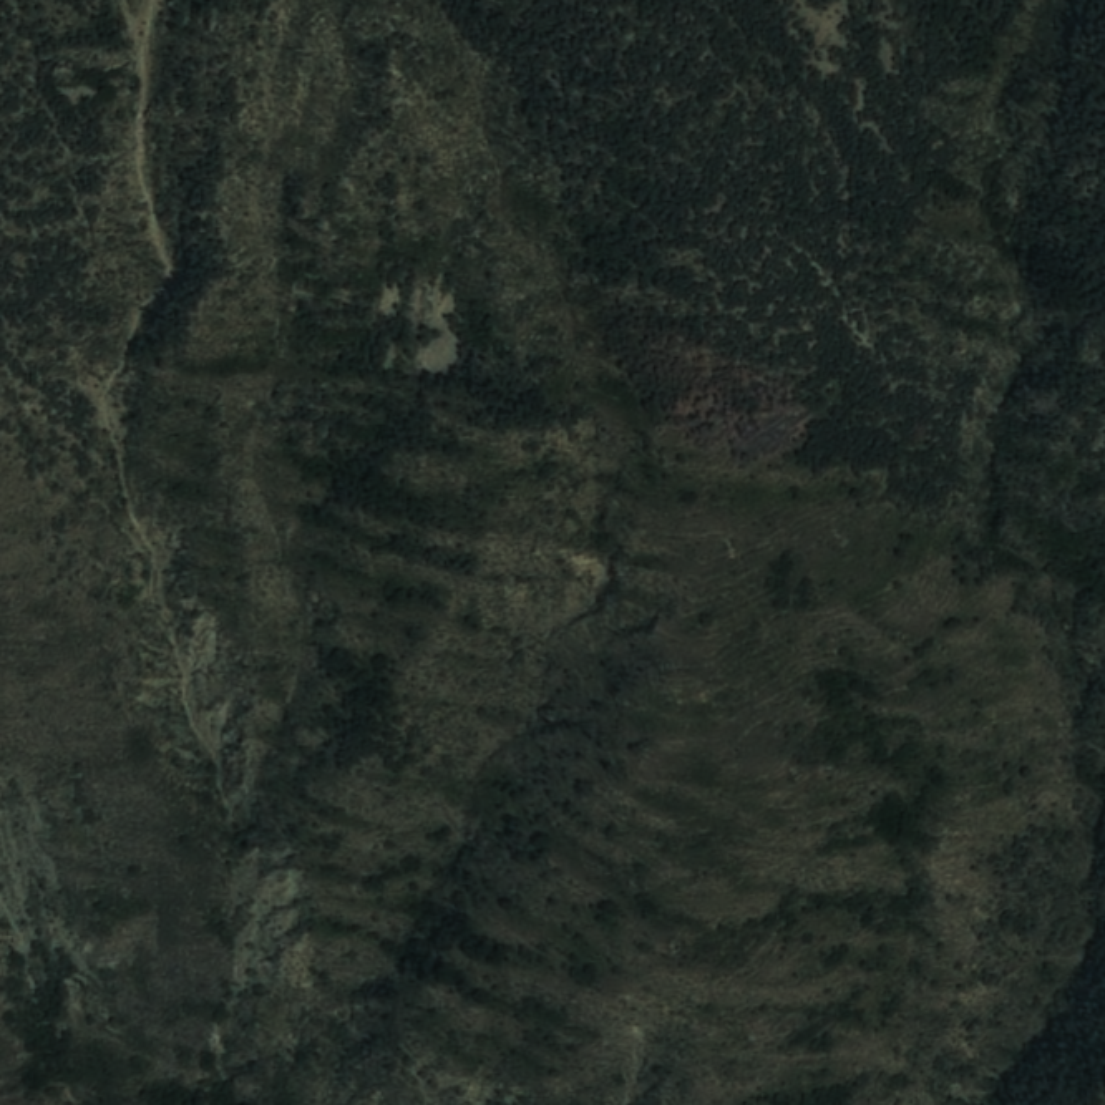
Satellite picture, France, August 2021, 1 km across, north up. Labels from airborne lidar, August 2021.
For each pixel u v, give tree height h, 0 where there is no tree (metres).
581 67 14
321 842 7
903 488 9
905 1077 7
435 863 6
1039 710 6
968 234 6
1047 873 10
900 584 8
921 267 8
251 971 7
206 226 10
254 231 0
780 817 0
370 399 11
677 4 13
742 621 0
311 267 9
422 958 12
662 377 16
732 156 9
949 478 11
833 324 11
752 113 12
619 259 13
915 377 7
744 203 13
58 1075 11
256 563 0
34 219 8
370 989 7
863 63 11
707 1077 0
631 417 0
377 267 8
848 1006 9
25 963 9
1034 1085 10
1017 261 10
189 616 7
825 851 6
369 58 10
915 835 8
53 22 8
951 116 6
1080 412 7
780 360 12
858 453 9
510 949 6
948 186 15
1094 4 13
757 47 12
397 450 8
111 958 0
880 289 8
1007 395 9
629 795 0
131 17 0
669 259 7
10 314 10
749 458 15
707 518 0
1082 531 7
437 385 17
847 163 10
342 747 10
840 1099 13
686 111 14
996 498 6
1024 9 17
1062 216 16
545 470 10
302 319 8
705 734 0
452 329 9
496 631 8
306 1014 7
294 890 0
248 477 0
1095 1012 10
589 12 8
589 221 7
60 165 7
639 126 12
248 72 6
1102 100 14
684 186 9
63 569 6
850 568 0
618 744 0
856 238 8
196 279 13
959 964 6
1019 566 7
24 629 0
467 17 12
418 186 8
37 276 11
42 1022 6
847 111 15
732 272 11
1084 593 6
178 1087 8
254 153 6
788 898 7
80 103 7
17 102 11
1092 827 8
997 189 6
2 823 0
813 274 17
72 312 8
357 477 15
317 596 8
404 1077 7
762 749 0
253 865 0
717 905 0
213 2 17
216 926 7
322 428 8
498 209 0
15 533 6
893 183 11
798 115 12
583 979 8
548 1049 7
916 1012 6
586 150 8
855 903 6
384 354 8
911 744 6
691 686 0
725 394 15
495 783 6
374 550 8
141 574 8
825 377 9
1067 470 6
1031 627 0
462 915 7
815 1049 7
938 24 19
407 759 11
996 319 12
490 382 16
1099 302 14
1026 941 7
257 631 0
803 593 10
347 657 12
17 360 9
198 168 7
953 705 0
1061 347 8
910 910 7
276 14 8
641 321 14
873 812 8
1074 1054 12
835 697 8
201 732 0
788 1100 7
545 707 9
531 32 12
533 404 12
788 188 8
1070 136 12
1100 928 9
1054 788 0
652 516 0
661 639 0
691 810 0
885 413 6
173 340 8
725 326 8
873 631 0
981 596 0
